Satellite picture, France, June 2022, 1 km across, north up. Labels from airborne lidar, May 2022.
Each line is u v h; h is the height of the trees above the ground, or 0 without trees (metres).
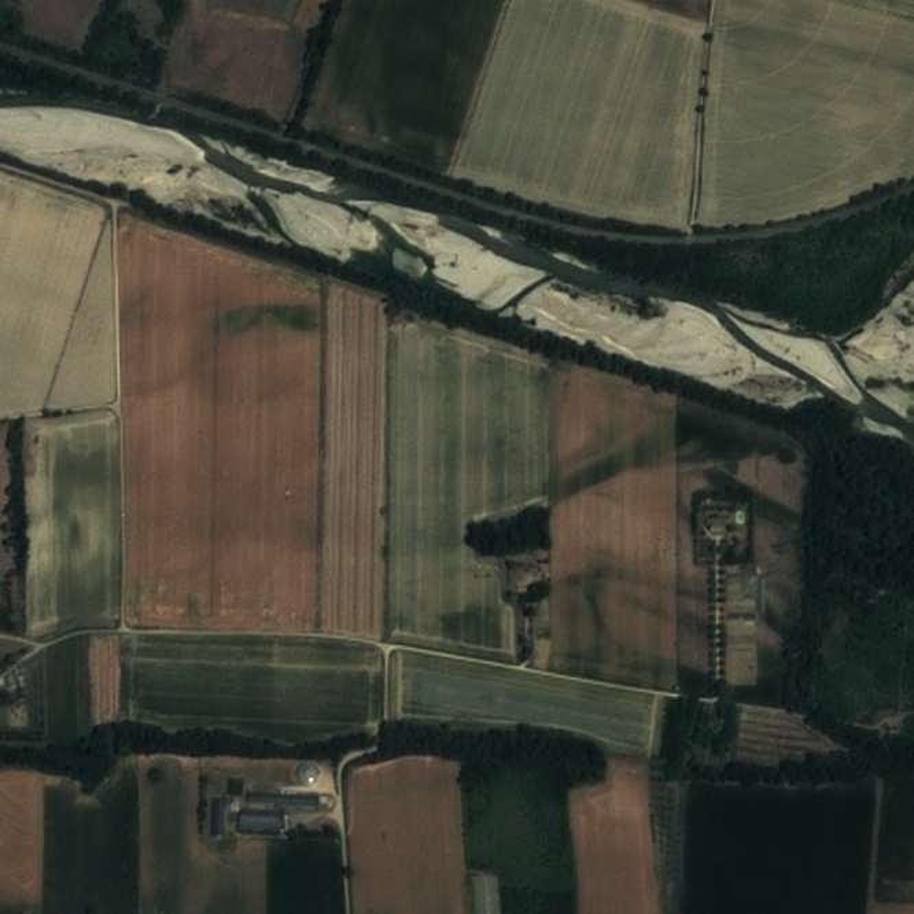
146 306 0
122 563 0
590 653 0
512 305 0
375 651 0
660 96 0
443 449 0
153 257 0
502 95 0
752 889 0
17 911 0
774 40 0
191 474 0
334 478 0
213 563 0
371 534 0
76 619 0
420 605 0
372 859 0
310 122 0
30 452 0
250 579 0
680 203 0
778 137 0
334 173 9
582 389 0
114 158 0
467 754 16
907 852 0
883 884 0
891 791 0
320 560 0
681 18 0
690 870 0
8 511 8
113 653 0
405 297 10
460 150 0
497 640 0
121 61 5
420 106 0
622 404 0
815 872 0
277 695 0
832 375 0
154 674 0
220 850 0
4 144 0
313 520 0
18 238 0
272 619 0
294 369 0
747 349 0
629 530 0
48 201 0
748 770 21
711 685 7
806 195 0
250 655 0
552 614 0
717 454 0
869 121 0
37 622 0
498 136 0
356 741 17
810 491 7
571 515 0
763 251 7
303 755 11
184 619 0
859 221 11
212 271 0
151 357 0
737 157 0
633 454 0
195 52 0
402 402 0
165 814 0
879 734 10
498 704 0
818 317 9
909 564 12
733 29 0
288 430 0
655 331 0
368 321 0
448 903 0
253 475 0
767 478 0
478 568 0
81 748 12
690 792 0
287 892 0
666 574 0
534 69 0
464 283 0
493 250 0
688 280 9
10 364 0
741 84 0
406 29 0
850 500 25
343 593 0
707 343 0
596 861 0
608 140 0
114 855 0
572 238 9
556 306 0
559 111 0
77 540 0
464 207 8
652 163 0
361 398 0
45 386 0
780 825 0
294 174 0
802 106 0
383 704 0
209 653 0
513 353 0
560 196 0
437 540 0
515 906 8
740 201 0
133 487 0
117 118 0
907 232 7
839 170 0
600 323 0
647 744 0
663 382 12
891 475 21
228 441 0
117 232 0
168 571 0
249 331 0
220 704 0
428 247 0
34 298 0
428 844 0
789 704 10
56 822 0
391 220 0
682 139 0
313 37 12
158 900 0
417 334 0
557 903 7
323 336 0
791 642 12
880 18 0
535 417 0
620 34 0
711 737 14
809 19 0
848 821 0
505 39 0
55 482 0
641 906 0
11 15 17
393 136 0
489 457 0
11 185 0
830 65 0
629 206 0
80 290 0
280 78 0
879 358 0
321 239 0
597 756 16
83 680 0
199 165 0
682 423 0
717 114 0
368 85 0
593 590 0
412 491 0
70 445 0
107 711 0
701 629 0
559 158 0
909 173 0
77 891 0
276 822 0
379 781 0
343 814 0
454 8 0
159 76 8
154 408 0
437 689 0
